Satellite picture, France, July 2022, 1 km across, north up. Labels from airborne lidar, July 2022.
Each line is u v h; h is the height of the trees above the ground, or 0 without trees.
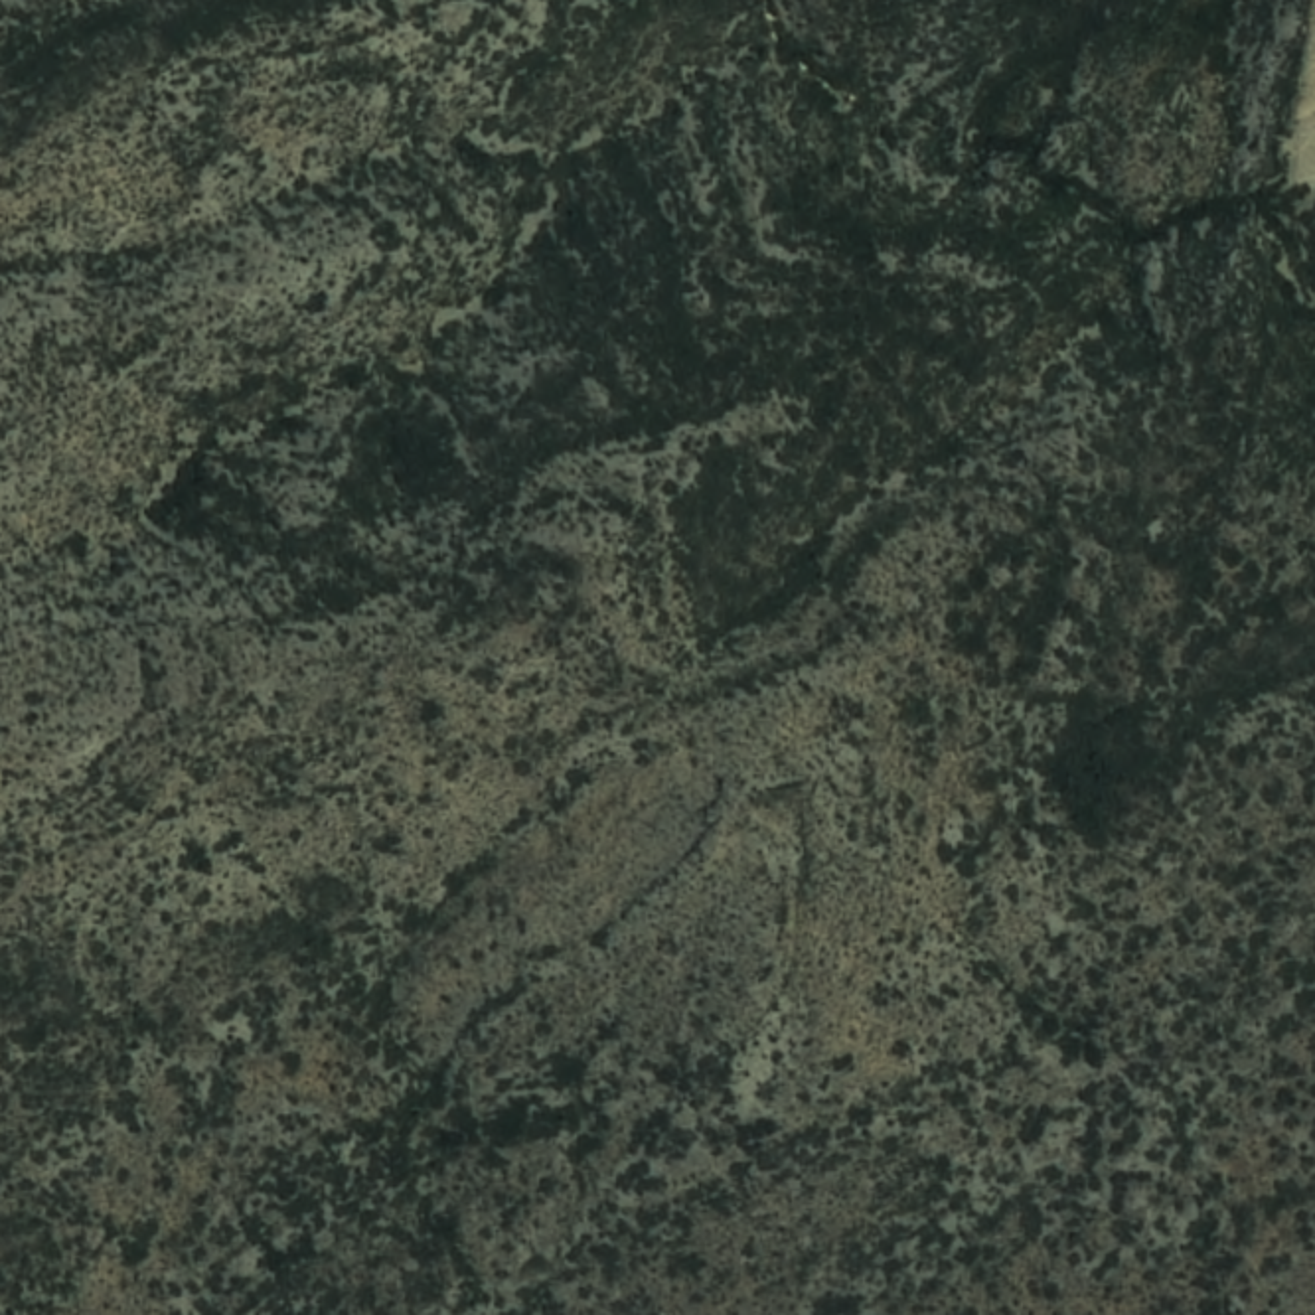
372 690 0
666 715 0
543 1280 0
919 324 0
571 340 0
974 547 0
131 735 0
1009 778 0
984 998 0
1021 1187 0
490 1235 0
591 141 0
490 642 0
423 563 0
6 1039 0
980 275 0
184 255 0
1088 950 0
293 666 0
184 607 0
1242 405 0
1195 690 0
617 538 0
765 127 0
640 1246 0
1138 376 0
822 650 0
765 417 0
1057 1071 0
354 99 0
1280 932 0
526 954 0
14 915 0
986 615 0
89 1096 0
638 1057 0
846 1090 0
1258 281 10
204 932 0
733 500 0
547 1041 0
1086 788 6
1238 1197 0
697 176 0
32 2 0
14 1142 0
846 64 0
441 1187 0
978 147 6
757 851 0
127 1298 0
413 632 0
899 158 0
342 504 0
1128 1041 0
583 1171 0
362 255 0
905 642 0
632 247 0
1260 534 0
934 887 0
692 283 0
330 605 0
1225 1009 0
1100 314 6
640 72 0
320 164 0
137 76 0
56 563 0
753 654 0
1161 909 0
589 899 0
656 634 0
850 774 0
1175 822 0
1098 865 0
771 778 0
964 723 0
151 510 6
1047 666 0
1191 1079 0
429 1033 0
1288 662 0
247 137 0
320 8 0
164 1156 0
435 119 0
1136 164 0
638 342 0
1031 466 0
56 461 0
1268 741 0
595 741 0
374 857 0
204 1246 0
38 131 0
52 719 0
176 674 0
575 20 0
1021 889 0
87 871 0
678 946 0
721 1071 0
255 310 0
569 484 0
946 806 0
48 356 0
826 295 0
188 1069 0
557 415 0
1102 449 0
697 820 0
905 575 0
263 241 0
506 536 0
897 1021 0
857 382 0
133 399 0
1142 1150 0
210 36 0
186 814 0
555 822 0
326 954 0
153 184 0
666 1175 0
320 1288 0
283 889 0
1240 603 0
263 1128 0
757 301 0
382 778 0
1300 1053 0
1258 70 0
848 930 0
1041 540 0
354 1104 0
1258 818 0
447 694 0
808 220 0
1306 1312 0
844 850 0
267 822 0
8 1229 0
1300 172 0
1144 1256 0
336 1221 0
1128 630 0
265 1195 0
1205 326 0
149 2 0
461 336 0
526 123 0
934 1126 0
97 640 0
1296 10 0
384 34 0
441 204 0
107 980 0
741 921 0
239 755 0
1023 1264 0
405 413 0
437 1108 0
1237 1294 0
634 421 0
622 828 0
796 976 0
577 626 0
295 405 0
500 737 0
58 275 0
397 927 0
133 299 0
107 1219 0
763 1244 0
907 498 0
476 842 0
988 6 0
